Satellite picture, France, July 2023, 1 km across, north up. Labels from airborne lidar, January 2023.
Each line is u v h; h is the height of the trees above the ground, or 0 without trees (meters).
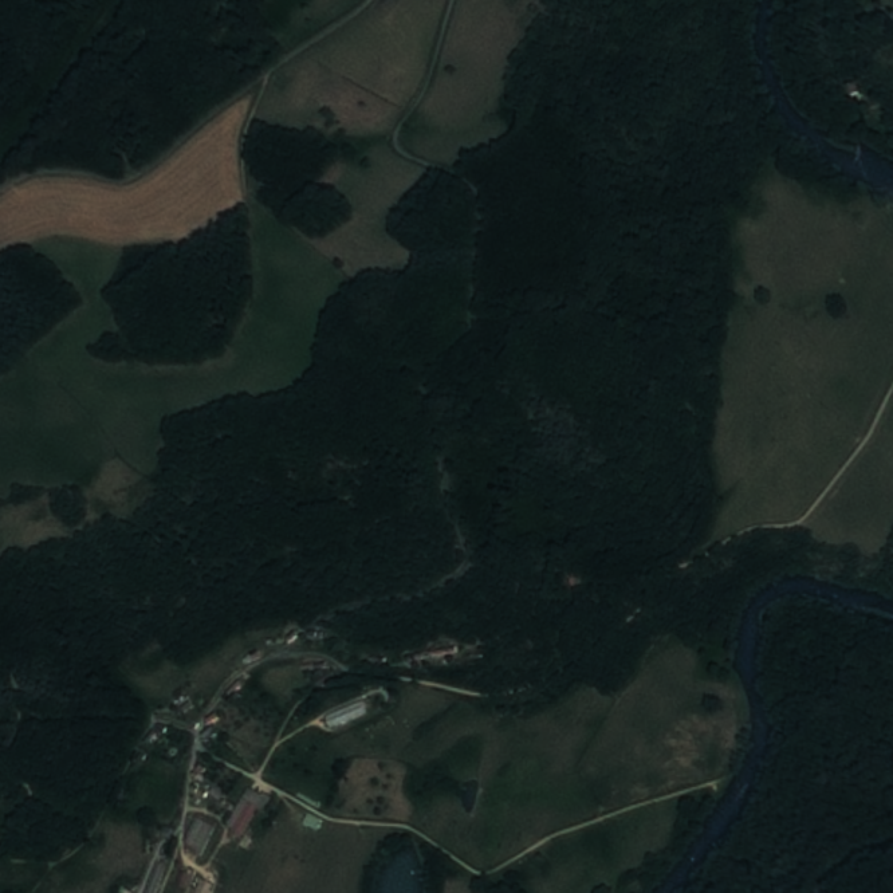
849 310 14
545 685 16
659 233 23
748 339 0
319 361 14
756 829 28
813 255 0
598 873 0
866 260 0
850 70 18
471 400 22
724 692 0
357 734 0
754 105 25
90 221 0
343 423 26
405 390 28
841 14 25
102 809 19
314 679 10
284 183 13
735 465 0
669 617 15
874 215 0
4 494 0
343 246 0
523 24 0
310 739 0
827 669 16
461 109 0
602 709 0
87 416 0
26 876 0
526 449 19
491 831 0
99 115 23
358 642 18
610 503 19
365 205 0
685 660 0
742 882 25
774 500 0
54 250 0
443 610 8
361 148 0
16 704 12
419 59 0
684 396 22
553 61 17
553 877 0
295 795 0
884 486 0
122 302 17
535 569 17
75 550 17
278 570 18
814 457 0
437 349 22
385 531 10
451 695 6
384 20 0
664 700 0
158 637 17
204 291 27
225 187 0
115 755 9
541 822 0
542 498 23
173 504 21
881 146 16
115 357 10
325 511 23
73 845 16
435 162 0
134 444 0
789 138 26
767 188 0
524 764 0
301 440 20
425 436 19
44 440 0
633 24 17
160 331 21
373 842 0
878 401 0
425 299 22
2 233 0
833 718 26
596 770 0
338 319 21
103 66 18
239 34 19
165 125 13
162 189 0
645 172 21
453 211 24
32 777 23
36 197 0
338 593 16
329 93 0
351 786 0
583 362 24
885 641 27
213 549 23
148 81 21
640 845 0
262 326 0
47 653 23
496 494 29
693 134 14
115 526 20
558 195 13
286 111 0
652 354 26
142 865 0
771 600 0
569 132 6
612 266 26
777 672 13
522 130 16
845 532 0
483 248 15
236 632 10
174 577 24
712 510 20
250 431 23
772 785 29
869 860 15
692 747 0
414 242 21
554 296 29
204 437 22
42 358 0
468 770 0
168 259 22
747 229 0
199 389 0
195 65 21
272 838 0
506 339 8
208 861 0
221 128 0
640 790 0
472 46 0
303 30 0
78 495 12
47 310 15
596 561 15
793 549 11
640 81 27
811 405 0
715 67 7
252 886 0
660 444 24
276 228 0
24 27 22
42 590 23
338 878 0
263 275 0
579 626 22
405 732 0
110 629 20
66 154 20
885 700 26
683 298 22
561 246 15
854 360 0
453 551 15
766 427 0
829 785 25
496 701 12
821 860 19
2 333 19
